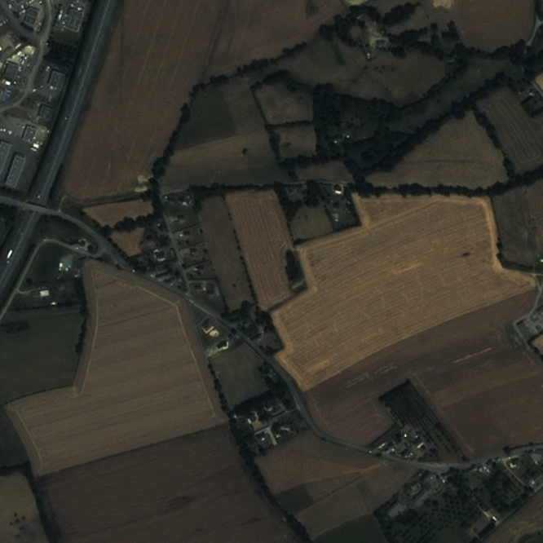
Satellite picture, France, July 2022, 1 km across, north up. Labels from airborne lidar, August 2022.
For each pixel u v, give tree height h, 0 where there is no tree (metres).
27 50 0
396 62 0
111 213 0
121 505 0
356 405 0
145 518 0
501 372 0
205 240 0
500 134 0
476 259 0
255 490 0
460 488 8
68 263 0
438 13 0
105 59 0
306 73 0
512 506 7
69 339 0
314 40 0
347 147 16
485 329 0
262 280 0
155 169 13
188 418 0
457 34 12
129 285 0
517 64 20
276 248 0
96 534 0
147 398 0
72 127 0
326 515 0
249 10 0
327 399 0
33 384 0
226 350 0
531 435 0
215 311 0
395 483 0
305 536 15
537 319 0
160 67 0
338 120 13
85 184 0
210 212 0
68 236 0
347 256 0
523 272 0
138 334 0
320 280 0
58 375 0
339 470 0
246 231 0
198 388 0
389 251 0
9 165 0
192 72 0
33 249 7
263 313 9
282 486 0
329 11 0
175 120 0
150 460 0
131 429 0
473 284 0
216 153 0
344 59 0
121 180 0
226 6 0
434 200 0
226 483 0
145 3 0
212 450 0
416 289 0
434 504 12
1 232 0
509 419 0
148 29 0
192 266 0
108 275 0
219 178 0
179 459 0
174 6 0
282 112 0
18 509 0
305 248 0
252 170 0
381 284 0
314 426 0
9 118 0
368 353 0
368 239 0
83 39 9
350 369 0
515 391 0
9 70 0
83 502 0
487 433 0
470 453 0
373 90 0
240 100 0
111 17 0
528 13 0
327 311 0
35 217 0
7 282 0
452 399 0
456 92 0
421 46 16
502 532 0
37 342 0
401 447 0
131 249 0
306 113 0
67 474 0
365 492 0
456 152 0
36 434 0
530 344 9
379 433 0
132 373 0
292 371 0
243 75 17
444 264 0
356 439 0
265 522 0
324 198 14
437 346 0
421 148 0
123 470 0
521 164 0
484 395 0
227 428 0
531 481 0
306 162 19
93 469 0
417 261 0
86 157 0
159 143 0
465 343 0
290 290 0
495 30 0
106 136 0
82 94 0
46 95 0
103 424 0
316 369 0
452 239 0
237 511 0
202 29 0
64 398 0
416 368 0
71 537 0
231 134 0
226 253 0
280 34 0
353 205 11
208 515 0
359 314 0
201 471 0
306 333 0
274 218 0
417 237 0
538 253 0
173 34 0
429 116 0
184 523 0
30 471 6
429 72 0
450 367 0
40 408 0
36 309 6
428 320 0
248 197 0
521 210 0
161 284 0
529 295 0
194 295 0
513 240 0
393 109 22
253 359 0
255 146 0
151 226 7
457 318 0
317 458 0
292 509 0
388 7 0
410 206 0
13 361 0
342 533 0
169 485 0
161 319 0
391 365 0
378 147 11
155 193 12
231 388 0
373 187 18
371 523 0
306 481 0
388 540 7
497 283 0
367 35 0
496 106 0
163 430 0
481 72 0
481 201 0
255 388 0
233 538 0
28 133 0
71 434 0
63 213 0
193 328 0
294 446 0
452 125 0
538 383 0
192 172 0
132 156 0
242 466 0
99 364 0
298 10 0
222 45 0
